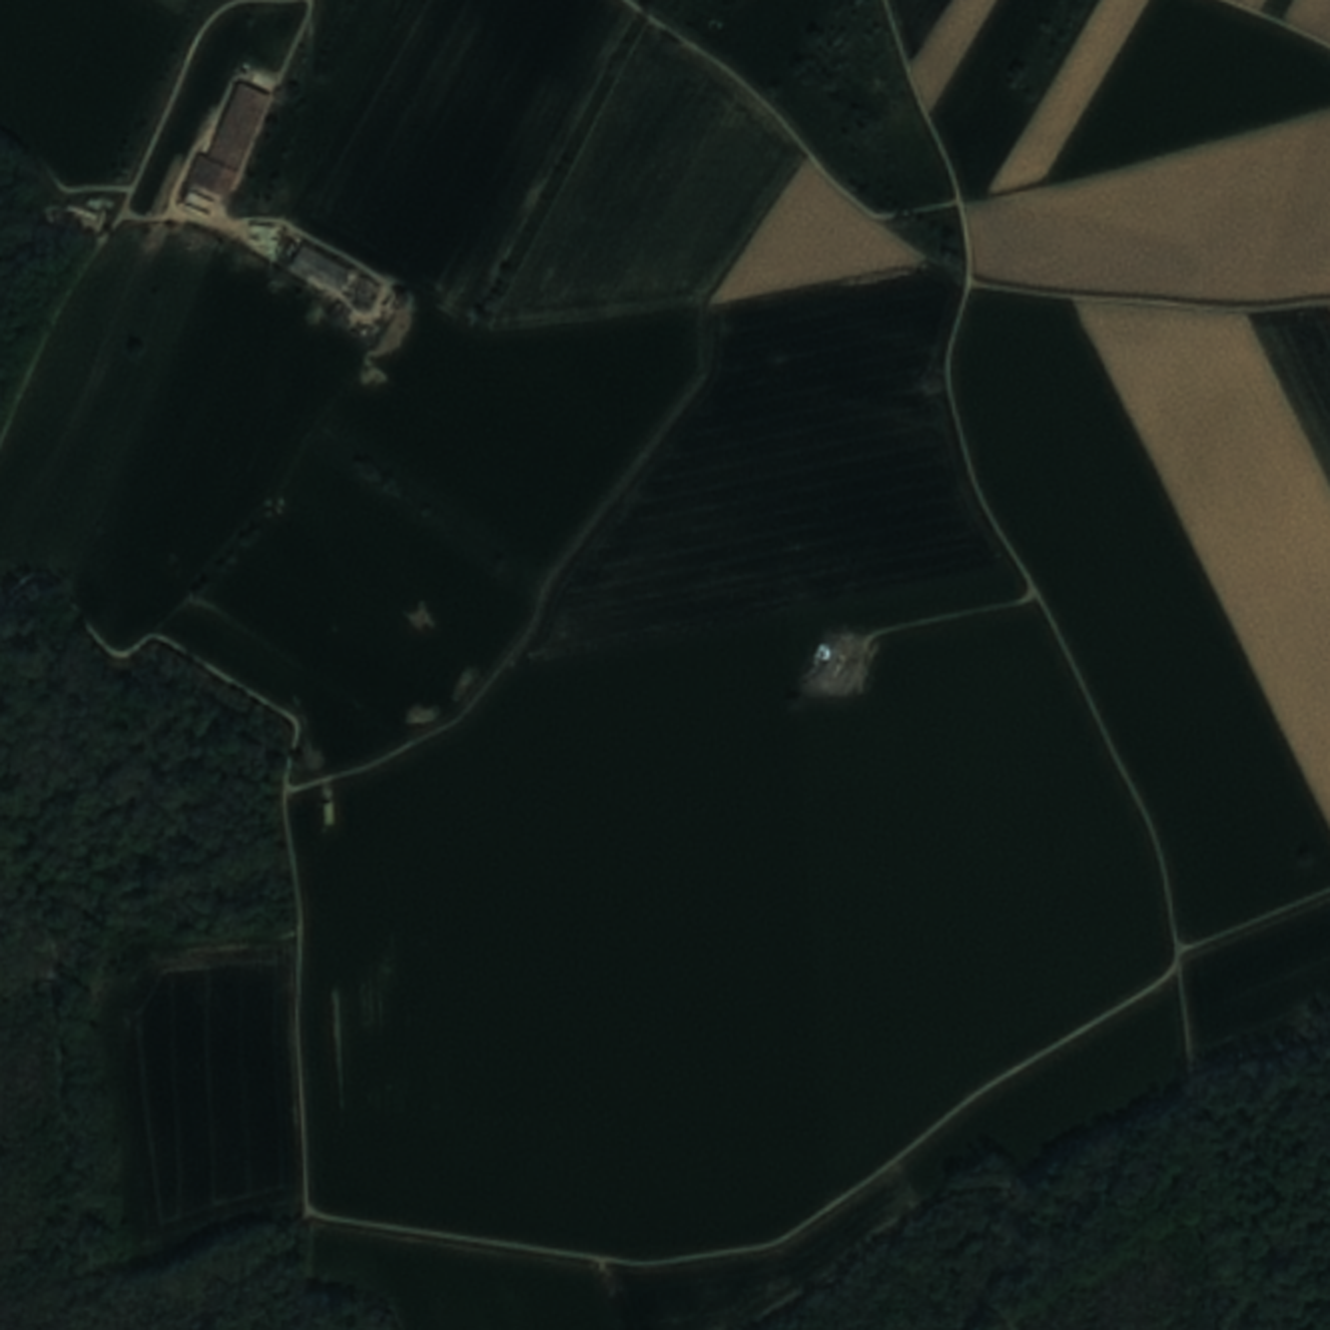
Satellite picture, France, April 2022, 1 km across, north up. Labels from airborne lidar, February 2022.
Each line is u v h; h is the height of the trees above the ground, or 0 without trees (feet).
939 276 0
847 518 0
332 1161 0
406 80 0
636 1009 0
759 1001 0
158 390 0
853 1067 0
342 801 0
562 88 0
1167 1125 93
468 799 0
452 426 0
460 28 0
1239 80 0
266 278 0
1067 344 0
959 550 0
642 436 0
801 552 0
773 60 0
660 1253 0
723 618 0
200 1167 0
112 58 0
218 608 0
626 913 0
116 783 110
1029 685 0
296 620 0
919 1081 0
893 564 0
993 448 0
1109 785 0
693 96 0
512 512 0
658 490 0
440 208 0
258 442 0
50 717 102
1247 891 0
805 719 0
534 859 0
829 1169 0
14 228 95
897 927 0
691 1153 0
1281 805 0
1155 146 0
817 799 0
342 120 0
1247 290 0
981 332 0
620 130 0
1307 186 0
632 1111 0
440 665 0
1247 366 0
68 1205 19
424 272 0
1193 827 0
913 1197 0
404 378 0
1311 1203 99
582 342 0
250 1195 0
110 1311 75
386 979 0
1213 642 0
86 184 0
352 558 0
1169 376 0
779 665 0
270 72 0
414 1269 0
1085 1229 85
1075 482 0
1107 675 0
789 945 0
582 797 0
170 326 0
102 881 96
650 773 0
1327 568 0
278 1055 0
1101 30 0
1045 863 0
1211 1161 99
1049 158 0
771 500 0
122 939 34
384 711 0
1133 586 0
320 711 0
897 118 0
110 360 0
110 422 0
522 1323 0
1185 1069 0
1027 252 0
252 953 0
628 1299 0
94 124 0
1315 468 0
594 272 0
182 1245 0
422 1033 0
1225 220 0
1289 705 0
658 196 0
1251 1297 85
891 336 0
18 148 71
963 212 0
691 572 0
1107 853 0
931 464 0
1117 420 0
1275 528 0
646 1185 0
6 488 0
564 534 0
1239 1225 91
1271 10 0
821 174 0
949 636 0
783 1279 0
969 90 0
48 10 0
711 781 0
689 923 0
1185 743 0
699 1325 0
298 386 0
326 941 0
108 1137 83
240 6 0
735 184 0
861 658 0
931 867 0
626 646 0
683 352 0
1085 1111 0
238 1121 0
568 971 0
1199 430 0
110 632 0
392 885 0
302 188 0
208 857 87
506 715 0
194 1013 0
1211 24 0
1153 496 0
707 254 0
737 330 0
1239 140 0
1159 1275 53
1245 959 0
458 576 0
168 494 0
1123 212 0
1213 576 0
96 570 0
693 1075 0
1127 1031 0
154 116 0
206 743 86
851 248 0
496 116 0
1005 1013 0
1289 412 0
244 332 0
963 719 0
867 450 0
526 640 0
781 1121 0
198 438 0
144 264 0
